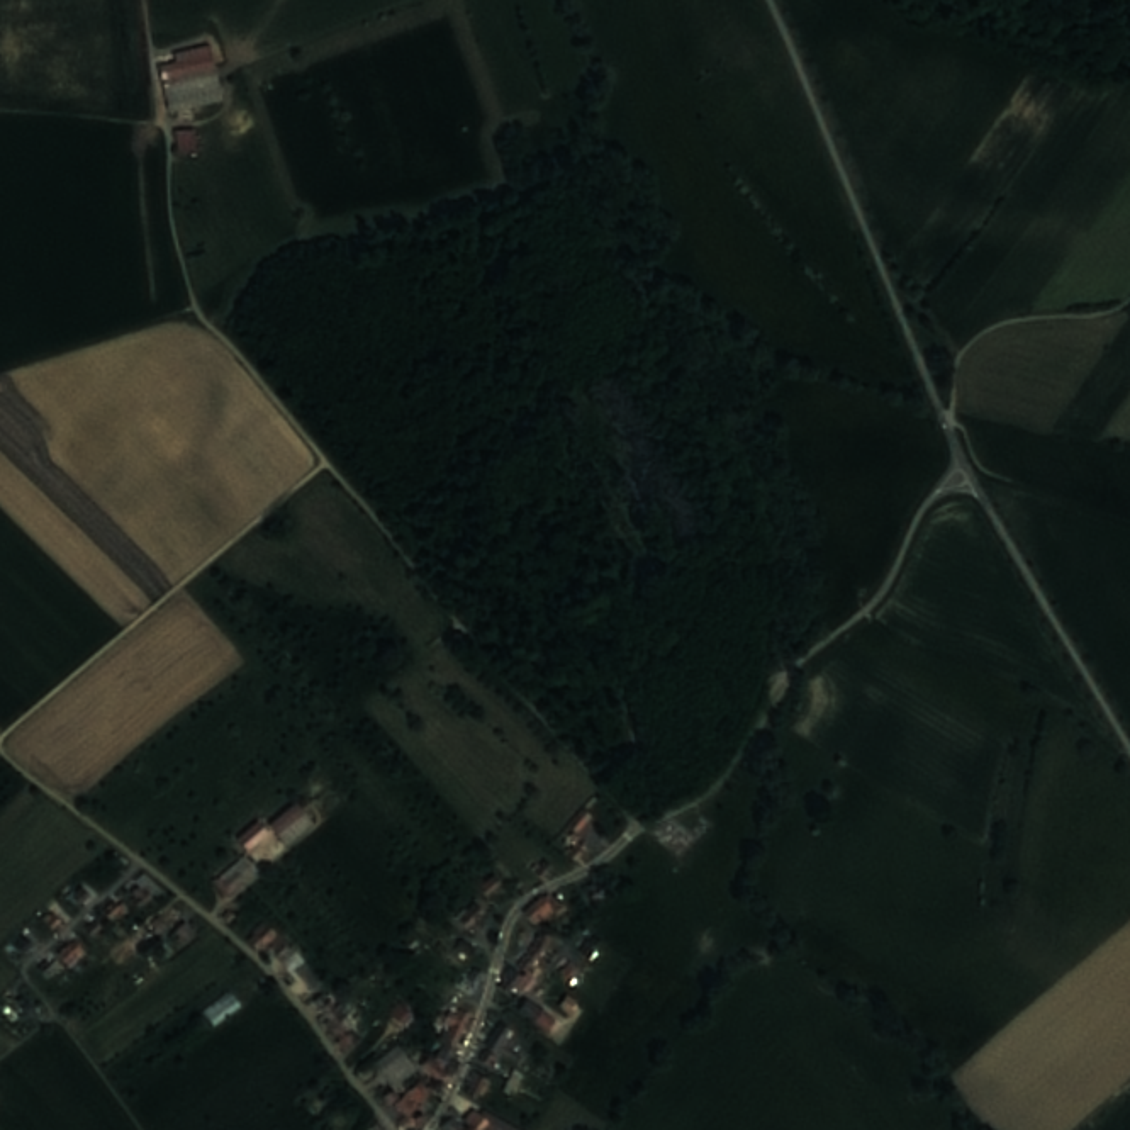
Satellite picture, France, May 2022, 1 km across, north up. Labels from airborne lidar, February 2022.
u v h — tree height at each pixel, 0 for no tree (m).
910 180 0
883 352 0
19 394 0
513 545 26
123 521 0
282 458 0
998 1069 0
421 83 0
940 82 0
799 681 20
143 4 0
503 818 10
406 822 0
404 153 0
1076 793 0
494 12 0
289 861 8
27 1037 0
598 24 0
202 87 0
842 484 0
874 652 0
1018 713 0
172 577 0
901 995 0
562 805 0
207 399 0
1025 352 0
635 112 0
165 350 0
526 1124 8
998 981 0
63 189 0
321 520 0
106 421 0
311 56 0
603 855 0
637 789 23
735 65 0
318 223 0
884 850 0
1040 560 0
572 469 13
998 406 0
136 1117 0
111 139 0
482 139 0
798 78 0
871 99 0
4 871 0
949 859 0
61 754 0
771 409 0
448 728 0
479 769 0
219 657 0
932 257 0
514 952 0
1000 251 0
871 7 0
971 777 0
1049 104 0
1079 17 31
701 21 0
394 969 9
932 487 0
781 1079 0
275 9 0
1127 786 0
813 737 0
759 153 0
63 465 0
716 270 0
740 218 0
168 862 7
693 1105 0
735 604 26
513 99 0
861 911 0
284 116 0
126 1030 0
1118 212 0
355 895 0
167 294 0
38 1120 0
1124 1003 0
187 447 0
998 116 0
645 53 0
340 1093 8
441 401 24
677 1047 0
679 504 20
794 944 26
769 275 0
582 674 31
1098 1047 0
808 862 0
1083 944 0
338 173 0
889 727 0
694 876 0
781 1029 0
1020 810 0
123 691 0
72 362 0
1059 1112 0
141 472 0
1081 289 0
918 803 0
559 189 25
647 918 0
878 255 0
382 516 11
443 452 14
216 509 0
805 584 25
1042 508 0
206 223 0
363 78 0
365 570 0
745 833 0
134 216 0
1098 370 0
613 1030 0
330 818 0
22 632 0
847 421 0
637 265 25
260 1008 0
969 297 0
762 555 25
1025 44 19
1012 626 0
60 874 0
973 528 0
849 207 0
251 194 0
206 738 0
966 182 0
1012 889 12
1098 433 0
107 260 0
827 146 0
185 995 0
